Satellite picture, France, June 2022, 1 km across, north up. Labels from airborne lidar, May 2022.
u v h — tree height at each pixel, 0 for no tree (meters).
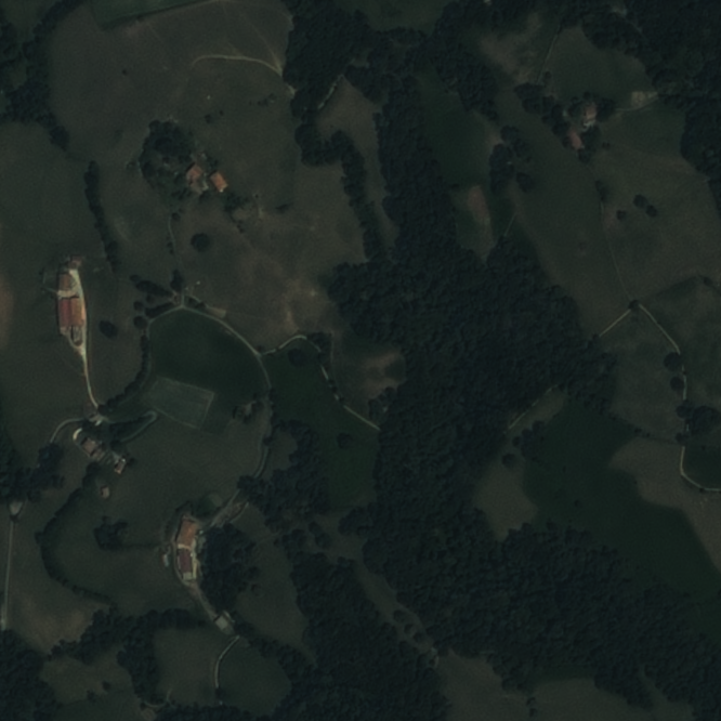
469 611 16
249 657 0
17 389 0
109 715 0
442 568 17
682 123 0
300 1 25
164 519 0
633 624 20
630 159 0
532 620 16
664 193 0
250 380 0
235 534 17
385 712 24
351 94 0
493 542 12
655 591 6
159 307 9
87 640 14
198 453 0
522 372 18
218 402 0
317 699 25
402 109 20
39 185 0
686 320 0
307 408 0
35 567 0
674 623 14
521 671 12
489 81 21
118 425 9
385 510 21
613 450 0
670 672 10
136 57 0
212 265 0
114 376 0
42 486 17
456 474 27
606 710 0
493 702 0
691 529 0
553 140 0
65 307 0
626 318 0
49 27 12
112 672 0
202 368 0
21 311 0
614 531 0
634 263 0
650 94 0
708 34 14
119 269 6
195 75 0
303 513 16
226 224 0
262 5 0
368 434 0
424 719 15
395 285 30
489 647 13
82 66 0
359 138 0
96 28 0
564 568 22
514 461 15
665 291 0
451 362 13
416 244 24
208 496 0
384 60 22
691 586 0
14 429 0
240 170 0
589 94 13
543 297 7
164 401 0
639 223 0
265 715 0
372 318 15
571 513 0
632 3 18
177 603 0
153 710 0
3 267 0
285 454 0
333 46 18
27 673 18
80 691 0
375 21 0
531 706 6
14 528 0
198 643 0
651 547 0
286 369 0
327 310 0
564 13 11
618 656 22
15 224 0
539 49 0
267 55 0
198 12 0
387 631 10
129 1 0
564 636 17
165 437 0
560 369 16
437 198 27
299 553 13
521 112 0
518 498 0
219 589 13
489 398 28
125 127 0
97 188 7
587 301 0
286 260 0
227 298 0
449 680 0
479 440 22
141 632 18
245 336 0
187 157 6
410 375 13
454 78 22
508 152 16
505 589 18
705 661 16
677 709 0
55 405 0
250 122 0
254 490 16
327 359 7
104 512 0
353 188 19
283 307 0
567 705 0
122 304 0
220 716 16
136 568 0
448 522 13
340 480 0
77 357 0
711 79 14
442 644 14
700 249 0
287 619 0
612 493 0
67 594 0
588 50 0
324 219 0
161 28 0
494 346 19
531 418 0
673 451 0
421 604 11
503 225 0
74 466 0
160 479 0
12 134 0
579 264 0
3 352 0
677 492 0
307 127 14
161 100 0
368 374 0
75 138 0
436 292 20
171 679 0
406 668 8
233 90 0
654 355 0
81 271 0
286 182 0
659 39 21
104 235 9
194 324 0
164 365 0
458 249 23
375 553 18
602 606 14
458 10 20
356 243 0
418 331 13
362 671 16
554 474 0
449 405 20
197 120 0
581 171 0
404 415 23
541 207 0
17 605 0
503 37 0
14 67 14
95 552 0
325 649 22
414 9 0
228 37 0
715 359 0
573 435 0
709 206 0
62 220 0
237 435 0
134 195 0
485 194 0
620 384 0
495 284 21
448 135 0
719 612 0
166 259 0
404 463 16
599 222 0
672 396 0
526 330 20
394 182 21
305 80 20
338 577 15
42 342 0
